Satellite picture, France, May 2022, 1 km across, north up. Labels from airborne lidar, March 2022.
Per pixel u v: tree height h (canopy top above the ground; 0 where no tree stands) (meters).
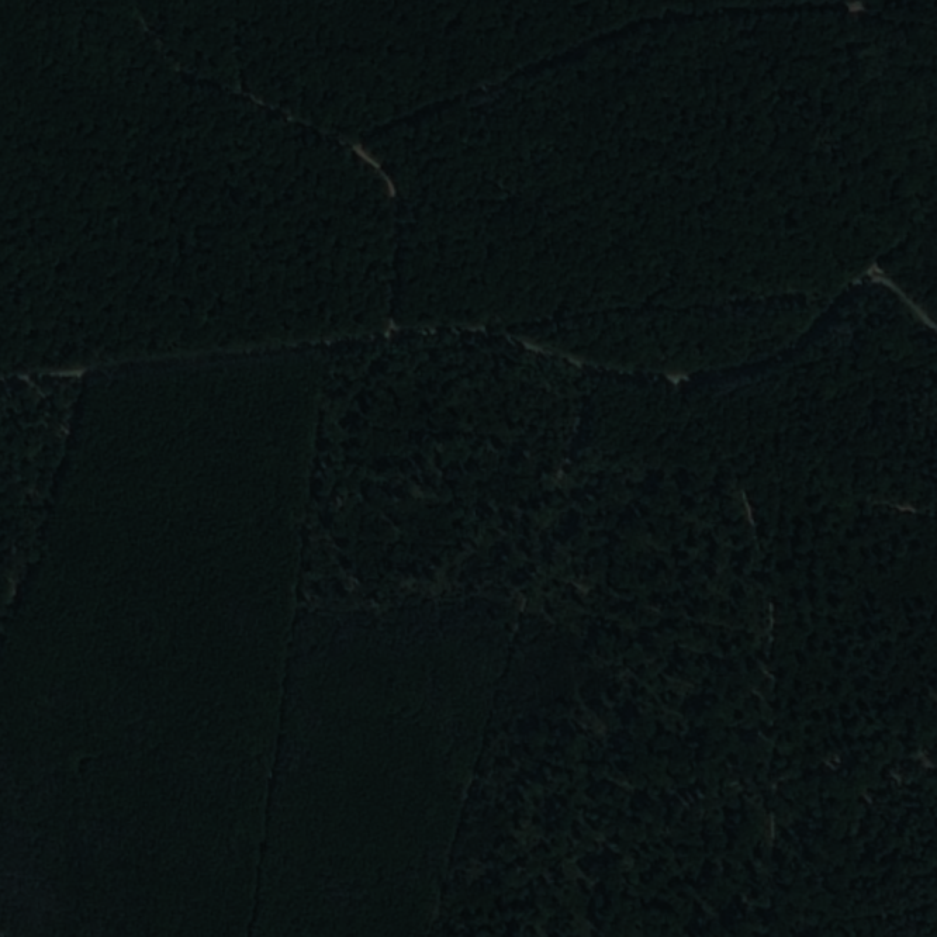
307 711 16
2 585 28
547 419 30
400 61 25
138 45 25
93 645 20
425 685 17
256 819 18
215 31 25
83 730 17
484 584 10
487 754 12
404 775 15
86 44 27
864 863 28
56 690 21
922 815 29
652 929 31
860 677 11
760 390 34
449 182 30
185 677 0
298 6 28
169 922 16
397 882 15
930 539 12
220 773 19
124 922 15
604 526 27
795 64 28
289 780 13
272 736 13
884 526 10
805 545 32
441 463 26
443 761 12
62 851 21
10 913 20
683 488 28
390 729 14
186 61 27
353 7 27
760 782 30
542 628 11
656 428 25
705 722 31
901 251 29
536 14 28
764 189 30
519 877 29
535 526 26
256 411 0
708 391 32
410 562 6
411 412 10
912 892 27
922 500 26
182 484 0
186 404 0
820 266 25
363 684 15
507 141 27
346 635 13
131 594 0
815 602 27
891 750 33
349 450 29
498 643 10
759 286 25
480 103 23
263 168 29
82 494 0
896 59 24
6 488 31
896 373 31
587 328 30
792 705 25
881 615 29
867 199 28
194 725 18
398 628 11
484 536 28
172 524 0
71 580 0
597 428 25
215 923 17
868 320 29
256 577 0
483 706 17
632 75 29
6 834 18
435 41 29
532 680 13
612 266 29
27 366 24
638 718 32
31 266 30
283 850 10
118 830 19
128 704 20
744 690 30
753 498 30
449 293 29
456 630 15
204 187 25
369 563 8
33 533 26
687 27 27
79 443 0
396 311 26
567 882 32
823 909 29
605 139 30
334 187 30
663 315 29
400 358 29
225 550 0
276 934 14
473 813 13
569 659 13
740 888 31
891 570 9
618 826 31
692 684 30
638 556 29
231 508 0
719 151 27
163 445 0
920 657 25
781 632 9
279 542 0
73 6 28
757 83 26
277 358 14
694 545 31
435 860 13
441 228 27
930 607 12
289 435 0
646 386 27
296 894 13
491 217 29
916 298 23
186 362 0
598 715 30
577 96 30
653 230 25
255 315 31
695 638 31
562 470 0
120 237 26
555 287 28
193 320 30
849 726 31
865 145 28
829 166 28
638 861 31
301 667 13
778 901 29
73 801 19
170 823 17
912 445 29
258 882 13
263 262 30
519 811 30
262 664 17
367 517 12
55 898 20
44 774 17
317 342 0
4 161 32
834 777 29
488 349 28
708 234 29
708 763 31
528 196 22
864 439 28
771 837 0
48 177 30
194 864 18
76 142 26
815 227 28
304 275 30
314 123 29
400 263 29
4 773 19
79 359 28
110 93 27
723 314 29
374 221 29
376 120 25
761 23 27
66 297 30
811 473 17
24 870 19
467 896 9
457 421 29
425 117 26
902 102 27
